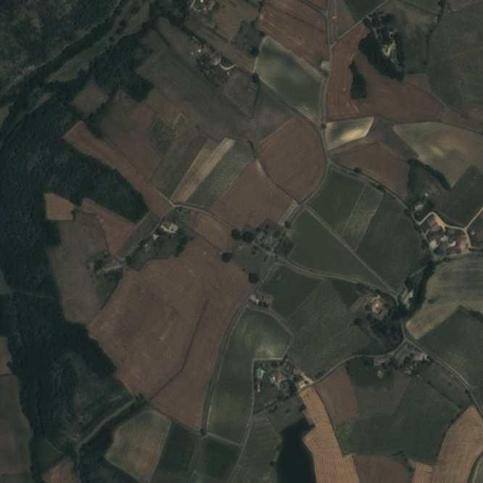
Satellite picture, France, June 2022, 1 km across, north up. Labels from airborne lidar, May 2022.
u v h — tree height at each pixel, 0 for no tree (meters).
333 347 0
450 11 0
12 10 6
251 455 0
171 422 0
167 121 0
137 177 0
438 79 0
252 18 0
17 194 13
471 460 0
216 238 0
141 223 0
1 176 12
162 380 0
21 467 0
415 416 0
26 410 16
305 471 0
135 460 0
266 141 0
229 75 0
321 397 0
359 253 0
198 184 0
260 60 0
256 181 0
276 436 0
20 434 0
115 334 0
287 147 0
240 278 0
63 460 0
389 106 0
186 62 0
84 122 9
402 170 0
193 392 0
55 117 14
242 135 0
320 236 0
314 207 0
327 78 0
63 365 8
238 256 0
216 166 0
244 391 0
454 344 0
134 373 0
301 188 0
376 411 0
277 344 0
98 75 11
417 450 0
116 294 0
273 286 0
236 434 0
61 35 8
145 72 0
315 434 0
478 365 0
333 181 0
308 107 0
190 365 0
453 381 0
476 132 0
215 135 0
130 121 0
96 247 0
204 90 0
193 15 0
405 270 0
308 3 0
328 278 0
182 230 8
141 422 0
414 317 0
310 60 0
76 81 9
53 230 8
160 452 0
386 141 0
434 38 0
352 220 0
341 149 0
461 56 0
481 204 0
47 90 25
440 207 0
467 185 0
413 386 0
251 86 0
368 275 0
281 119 0
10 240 11
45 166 7
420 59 0
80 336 20
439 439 0
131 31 0
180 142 0
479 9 0
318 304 0
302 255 0
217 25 0
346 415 0
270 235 0
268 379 0
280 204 0
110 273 6
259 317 0
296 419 0
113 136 0
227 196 0
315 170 0
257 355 0
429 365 9
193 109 0
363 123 0
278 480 0
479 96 0
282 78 0
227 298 0
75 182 8
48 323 10
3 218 13
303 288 0
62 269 0
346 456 0
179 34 0
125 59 6
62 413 6
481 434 0
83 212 0
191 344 0
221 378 0
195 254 0
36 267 14
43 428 16
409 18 0
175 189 0
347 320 0
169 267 0
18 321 9
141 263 0
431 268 12
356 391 0
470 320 0
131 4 0
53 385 15
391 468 0
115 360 0
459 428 0
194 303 0
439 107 0
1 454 0
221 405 0
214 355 0
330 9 0
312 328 0
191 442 0
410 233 0
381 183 0
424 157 0
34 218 16
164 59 0
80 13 9
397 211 0
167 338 0
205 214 0
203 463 0
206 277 0
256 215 0
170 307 0
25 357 17
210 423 0
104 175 7
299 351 0
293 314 0
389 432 0
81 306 0
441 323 0
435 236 0
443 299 0
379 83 0
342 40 0
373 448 0
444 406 0
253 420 0
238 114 0
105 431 10
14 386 0
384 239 0
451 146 0
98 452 15
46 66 10
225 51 0
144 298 0
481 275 0
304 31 0
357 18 0
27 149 11
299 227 0
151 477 0
